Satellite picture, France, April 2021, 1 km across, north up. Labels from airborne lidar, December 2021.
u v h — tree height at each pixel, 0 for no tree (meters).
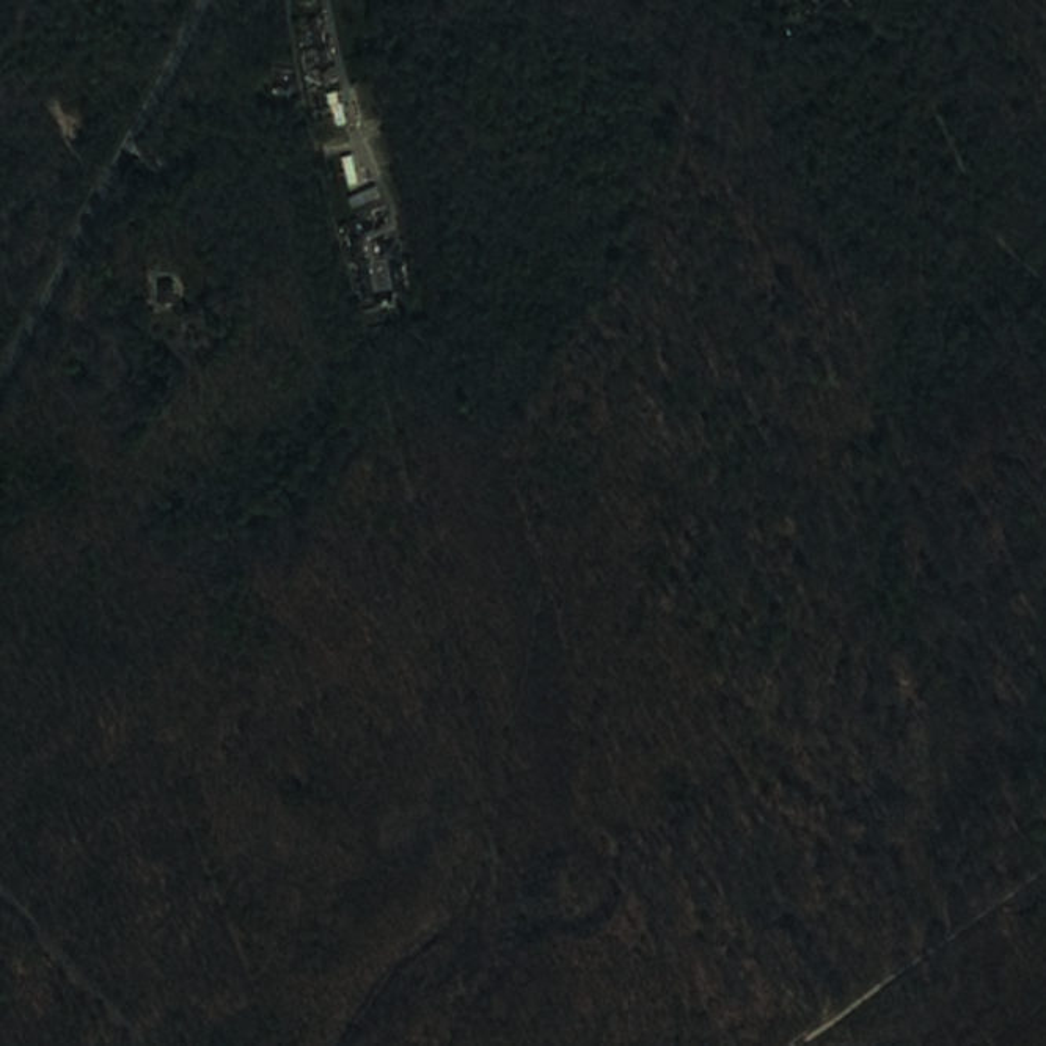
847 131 17
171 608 21
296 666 19
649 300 31
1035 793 32
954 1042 14
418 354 17
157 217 21
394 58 15
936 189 11
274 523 15
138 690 26
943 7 12
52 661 22
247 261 19
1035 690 29
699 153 25
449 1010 16
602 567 18
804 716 32
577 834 14
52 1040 23
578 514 14
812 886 23
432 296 7
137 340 27
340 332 23
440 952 20
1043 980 23
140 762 20
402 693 21
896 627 27
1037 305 29
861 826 31
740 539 34
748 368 30
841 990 31
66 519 19
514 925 9
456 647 20
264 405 25
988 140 18
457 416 14
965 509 22
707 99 17
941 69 9
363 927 17
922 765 26
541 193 18
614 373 28
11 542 20
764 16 8
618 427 23
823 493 26
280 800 13
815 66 21
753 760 20
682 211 12
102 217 25
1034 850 32
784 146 34
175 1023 18
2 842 22
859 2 16
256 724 18
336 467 31
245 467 16
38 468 16
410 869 13
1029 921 25
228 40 21
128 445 20
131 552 20
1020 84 22
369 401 20
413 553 22
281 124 24
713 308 20
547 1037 14
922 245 21
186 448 29
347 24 19
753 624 34
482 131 17
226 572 16
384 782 17
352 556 21
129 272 23
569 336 14
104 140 20
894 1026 9
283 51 21
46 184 16
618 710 16
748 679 31
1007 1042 13
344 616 15
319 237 22
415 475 21
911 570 36
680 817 32
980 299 9
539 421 15
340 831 11
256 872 10
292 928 8
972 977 10
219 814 12
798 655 35
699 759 22
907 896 32
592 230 19
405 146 8
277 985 11
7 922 24
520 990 18
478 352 12
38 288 23
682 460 29
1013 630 34
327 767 13
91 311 8
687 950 18
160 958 24
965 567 24
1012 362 17
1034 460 30
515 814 22
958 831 32
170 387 23
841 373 29
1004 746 17
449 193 22
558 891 7
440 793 13
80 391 27
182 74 17
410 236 6
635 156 20
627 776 15
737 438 33
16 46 8
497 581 18
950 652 21
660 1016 13
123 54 12
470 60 18
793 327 23
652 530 17
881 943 24
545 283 19
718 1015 14
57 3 12
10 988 28
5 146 22
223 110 25
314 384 21
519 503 16
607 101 19
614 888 11
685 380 32
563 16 10
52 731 23
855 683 29
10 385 19
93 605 21
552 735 16
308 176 22
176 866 20
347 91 0
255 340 18
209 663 19
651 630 21
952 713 28
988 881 30
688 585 16
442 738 22
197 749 10
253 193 21
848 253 20
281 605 18
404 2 22
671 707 21
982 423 14
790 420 16
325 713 16
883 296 6
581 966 15
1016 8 24
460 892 21
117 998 22
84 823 20
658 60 14
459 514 18
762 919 31
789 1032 10
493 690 23
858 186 13
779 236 12
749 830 34
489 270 17
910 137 18
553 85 22
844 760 20
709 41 17
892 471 34
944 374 12
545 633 15
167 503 20
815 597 23
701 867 16
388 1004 14
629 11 13
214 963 21
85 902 24
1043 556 32
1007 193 22
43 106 16
